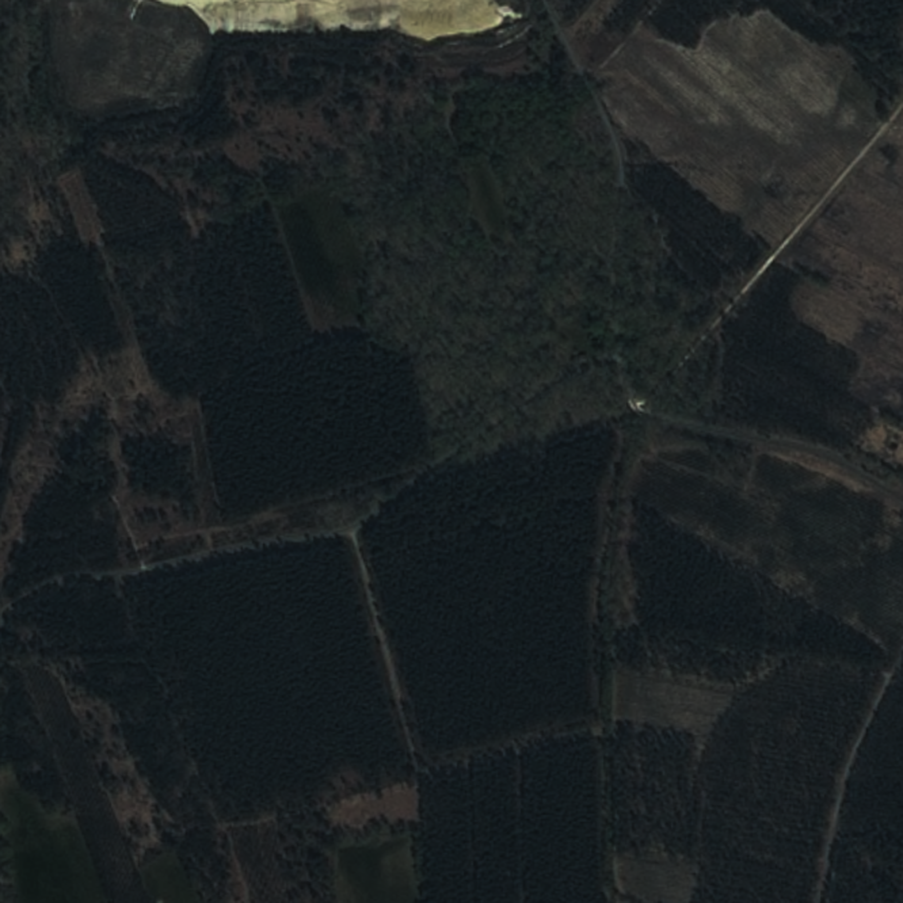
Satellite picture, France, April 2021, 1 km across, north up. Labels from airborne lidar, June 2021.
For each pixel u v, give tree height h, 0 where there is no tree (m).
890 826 13
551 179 20
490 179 0
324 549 16
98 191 15
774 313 11
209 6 0
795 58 0
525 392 14
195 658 17
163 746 10
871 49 19
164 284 15
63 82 0
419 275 21
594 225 16
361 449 21
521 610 19
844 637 17
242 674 18
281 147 0
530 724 15
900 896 22
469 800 22
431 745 17
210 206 8
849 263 0
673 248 10
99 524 7
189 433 9
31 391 12
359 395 20
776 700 10
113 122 8
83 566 9
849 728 13
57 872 0
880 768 13
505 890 19
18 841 0
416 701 17
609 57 0
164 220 13
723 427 8
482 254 20
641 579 17
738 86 0
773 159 0
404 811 0
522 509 16
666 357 15
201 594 20
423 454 17
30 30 13
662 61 0
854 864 17
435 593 18
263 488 21
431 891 18
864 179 0
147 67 0
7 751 15
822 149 0
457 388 18
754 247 12
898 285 0
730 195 0
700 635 19
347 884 0
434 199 16
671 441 15
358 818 0
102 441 23
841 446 7
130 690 12
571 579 19
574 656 19
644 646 19
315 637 18
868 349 0
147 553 7
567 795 19
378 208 15
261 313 17
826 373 9
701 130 0
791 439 0
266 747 17
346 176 21
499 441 16
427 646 17
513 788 19
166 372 17
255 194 8
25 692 9
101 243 0
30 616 14
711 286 10
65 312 11
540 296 17
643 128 0
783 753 12
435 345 19
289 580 19
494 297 15
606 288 20
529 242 18
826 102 0
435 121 17
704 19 9
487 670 18
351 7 0
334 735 17
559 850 19
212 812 13
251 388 18
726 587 16
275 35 6
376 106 9
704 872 14
